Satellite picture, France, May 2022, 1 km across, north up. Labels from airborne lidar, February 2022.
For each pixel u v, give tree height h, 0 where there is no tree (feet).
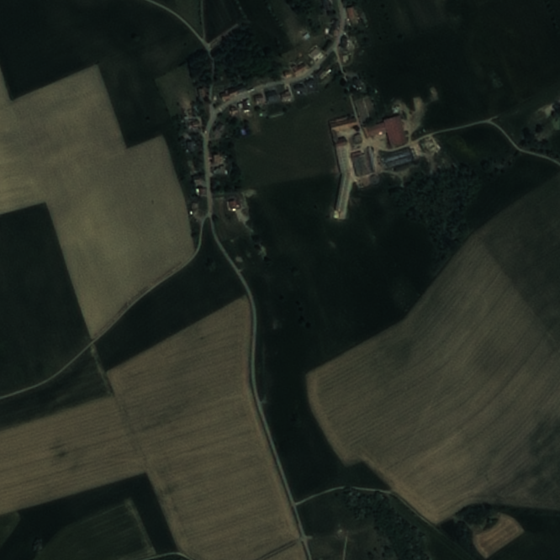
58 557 0
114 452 0
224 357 0
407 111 0
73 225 0
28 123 0
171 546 0
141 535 0
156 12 0
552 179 0
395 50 0
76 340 0
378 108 0
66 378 0
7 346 0
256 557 0
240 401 0
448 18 0
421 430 0
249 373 0
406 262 0
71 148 0
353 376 0
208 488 0
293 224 0
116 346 0
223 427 0
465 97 0
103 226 0
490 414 0
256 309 0
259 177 0
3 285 0
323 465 0
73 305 0
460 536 24
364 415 0
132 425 0
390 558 0
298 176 0
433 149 0
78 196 0
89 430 0
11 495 0
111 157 0
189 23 0
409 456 0
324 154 0
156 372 0
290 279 0
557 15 0
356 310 0
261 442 0
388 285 0
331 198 0
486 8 0
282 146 0
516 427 0
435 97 0
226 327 0
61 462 0
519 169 0
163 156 0
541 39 0
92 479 0
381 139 0
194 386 0
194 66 62
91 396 0
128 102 0
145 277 0
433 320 0
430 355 0
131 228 0
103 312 0
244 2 0
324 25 0
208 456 0
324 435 0
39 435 0
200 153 34
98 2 0
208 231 0
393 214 0
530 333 0
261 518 0
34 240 0
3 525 0
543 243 0
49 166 0
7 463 0
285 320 0
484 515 32
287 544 0
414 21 0
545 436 0
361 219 0
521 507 0
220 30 0
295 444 0
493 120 0
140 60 0
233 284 0
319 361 0
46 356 0
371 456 0
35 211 0
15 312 0
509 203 0
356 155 0
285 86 0
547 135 0
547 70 0
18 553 0
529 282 0
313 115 0
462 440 0
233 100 0
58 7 0
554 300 0
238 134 28
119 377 0
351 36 0
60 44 0
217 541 0
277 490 0
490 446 0
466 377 0
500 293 0
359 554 0
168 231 0
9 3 0
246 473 0
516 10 0
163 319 0
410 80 0
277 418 0
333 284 0
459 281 0
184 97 0
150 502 0
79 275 0
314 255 0
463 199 64
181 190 0
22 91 0
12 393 0
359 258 0
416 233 0
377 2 0
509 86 0
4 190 0
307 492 0
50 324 0
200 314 0
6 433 0
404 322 0
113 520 0
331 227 0
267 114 0
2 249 0
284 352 0
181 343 0
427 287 0
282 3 0
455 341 0
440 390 0
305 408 0
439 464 0
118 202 0
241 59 78
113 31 0
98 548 0
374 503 18
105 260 0
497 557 0
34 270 0
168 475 0
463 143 0
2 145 0
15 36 0
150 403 0
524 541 0
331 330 0
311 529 0
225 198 0
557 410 0
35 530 0
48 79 0
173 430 0
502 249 0
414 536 31
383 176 0
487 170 39
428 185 55
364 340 0
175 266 0
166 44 0
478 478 0
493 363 0
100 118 0
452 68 0
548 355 0
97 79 0
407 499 0
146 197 0
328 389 0
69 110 0
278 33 0
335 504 0
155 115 0
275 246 0
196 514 0
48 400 0
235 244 0
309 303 0
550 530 0
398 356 0
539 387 0
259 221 0
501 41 0
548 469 0
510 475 0
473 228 0
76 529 0
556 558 0
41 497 0
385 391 0
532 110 0
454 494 0
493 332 0
